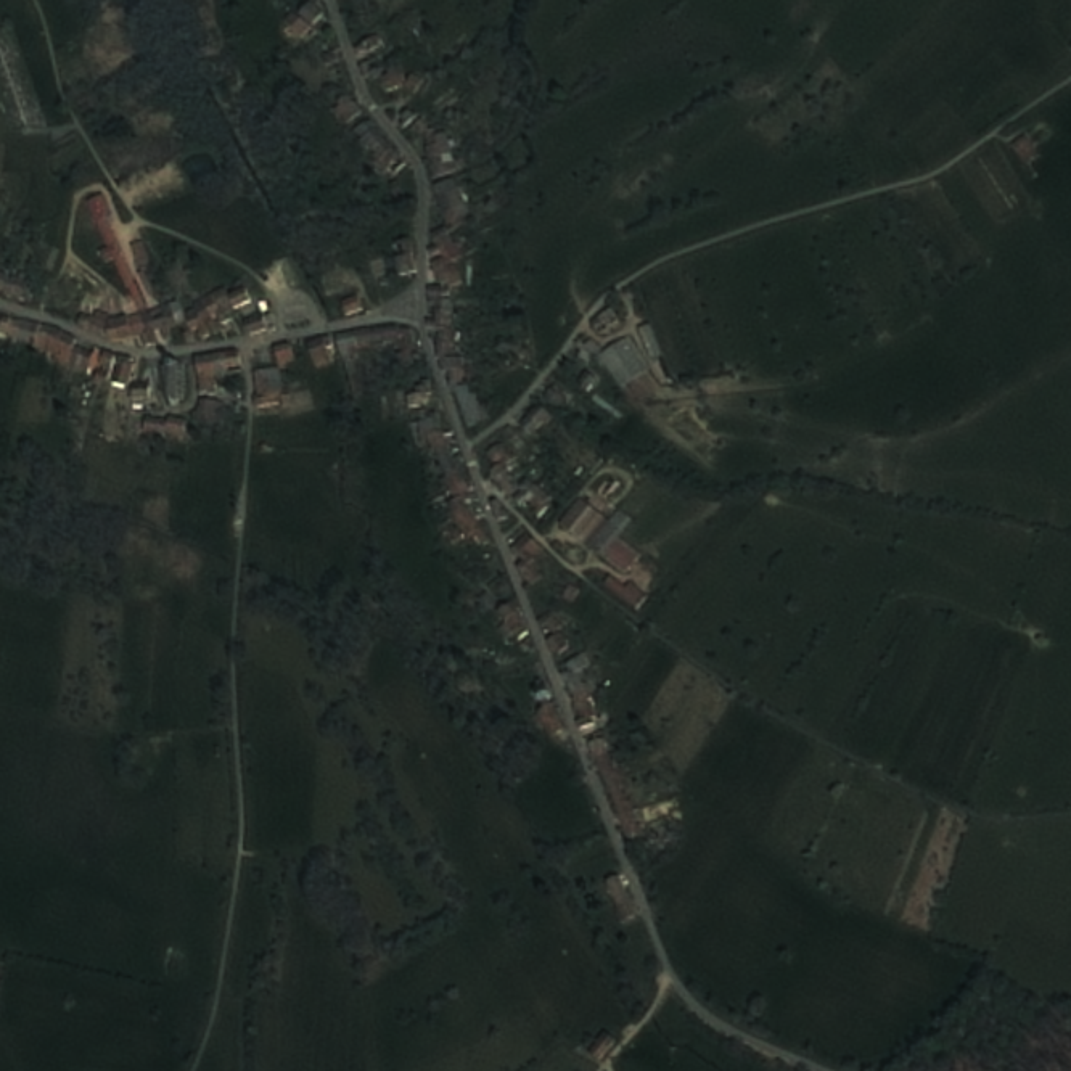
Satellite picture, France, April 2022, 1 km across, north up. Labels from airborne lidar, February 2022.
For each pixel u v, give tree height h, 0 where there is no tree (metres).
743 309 0
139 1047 0
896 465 0
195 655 0
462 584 0
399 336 0
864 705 6
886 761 0
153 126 0
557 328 0
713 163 0
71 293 0
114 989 0
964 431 0
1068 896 0
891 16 0
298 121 26
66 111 16
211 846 0
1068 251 0
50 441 0
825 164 0
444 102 0
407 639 11
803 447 0
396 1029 0
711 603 0
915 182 0
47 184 0
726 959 0
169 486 0
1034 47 0
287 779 0
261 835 0
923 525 0
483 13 0
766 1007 15
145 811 0
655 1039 0
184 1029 0
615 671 0
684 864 0
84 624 0
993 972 14
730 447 0
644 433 0
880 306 0
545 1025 0
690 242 0
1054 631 0
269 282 0
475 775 0
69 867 0
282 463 0
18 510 17
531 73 18
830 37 0
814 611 0
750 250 0
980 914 0
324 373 0
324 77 0
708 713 0
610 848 0
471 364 7
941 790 0
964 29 0
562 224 0
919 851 0
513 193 8
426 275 0
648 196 0
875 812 0
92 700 0
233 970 0
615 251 0
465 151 8
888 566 0
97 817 0
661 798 0
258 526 0
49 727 0
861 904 0
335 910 25
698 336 0
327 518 0
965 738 0
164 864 0
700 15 0
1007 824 0
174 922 0
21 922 0
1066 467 0
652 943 0
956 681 0
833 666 0
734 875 0
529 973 0
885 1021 0
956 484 0
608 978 13
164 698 0
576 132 0
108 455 0
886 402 0
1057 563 0
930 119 0
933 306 0
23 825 0
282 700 0
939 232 0
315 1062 0
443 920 13
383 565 24
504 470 0
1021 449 0
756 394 0
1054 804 0
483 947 0
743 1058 16
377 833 19
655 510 0
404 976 0
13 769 0
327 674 14
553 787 0
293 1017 0
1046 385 0
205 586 0
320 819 0
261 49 0
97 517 19
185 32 16
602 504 0
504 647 0
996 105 0
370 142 0
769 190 0
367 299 0
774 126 0
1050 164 0
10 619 0
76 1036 0
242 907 0
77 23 0
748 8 0
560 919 0
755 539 0
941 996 0
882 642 0
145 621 0
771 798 0
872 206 0
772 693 0
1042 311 0
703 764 0
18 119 0
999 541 0
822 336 0
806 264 0
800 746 0
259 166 0
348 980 0
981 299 0
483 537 0
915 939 0
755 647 14
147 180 0
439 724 0
